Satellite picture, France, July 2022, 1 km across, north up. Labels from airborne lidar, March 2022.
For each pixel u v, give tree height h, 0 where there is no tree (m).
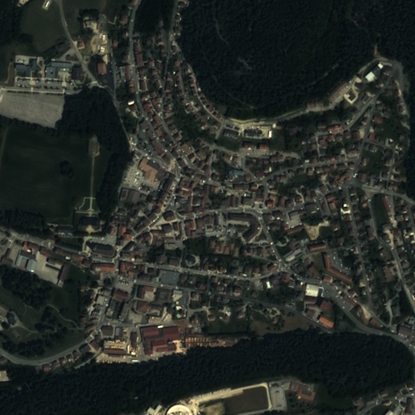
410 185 17
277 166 6
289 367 14
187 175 8
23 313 0
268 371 18
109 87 0
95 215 0
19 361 0
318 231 0
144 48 7
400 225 8
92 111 34
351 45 37
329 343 26
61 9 0
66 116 16
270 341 24
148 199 6
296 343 30
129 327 0
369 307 0
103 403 24
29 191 0
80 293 9
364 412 0
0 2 33
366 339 18
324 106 0
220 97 29
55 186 0
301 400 0
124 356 0
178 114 5
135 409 30
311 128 0
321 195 0
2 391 10
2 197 0
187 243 12
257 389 0
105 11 0
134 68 0
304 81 36
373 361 25
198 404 0
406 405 9
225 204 0
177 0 0
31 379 11
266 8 21
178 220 0
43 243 0
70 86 0
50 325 18
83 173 0
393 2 38
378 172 0
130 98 12
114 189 27
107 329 0
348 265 0
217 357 20
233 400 0
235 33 16
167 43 0
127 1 0
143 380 21
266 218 0
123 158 25
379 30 35
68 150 0
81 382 15
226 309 0
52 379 11
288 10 20
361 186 0
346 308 0
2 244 0
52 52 0
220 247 0
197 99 0
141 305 0
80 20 12
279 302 7
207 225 0
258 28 21
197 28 19
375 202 0
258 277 0
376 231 0
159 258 0
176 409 0
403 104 0
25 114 0
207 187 0
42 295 30
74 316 0
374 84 11
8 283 33
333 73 20
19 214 21
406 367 23
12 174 0
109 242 0
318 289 0
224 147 0
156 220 0
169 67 6
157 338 0
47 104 0
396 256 0
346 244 16
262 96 35
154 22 8
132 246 0
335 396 9
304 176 0
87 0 0
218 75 26
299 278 0
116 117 26
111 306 0
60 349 0
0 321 0
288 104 18
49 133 20
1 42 16
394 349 26
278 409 0
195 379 24
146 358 0
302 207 0
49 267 0
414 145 18
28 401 24
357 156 0
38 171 0
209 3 14
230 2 20
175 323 0
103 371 28
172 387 20
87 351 0
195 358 25
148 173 0
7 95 0
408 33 34
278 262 0
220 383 16
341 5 26
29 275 19
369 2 37
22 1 0
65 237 0
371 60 16
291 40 15
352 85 0
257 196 0
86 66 0
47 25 0
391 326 0
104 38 0
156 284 0
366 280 0
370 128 0
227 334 9
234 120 0
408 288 0
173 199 0
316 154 17
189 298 0
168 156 0
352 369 22
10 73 0
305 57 17
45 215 0
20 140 0
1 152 0
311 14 14
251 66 22
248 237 0
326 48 14
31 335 0
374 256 0
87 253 0
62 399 14
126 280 0
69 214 0
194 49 20
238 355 16
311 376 18
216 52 15
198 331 0
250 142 0
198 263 0
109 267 0
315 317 0
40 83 0
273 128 0
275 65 13
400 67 0
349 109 7
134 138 0
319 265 0
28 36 6
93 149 0
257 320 0
